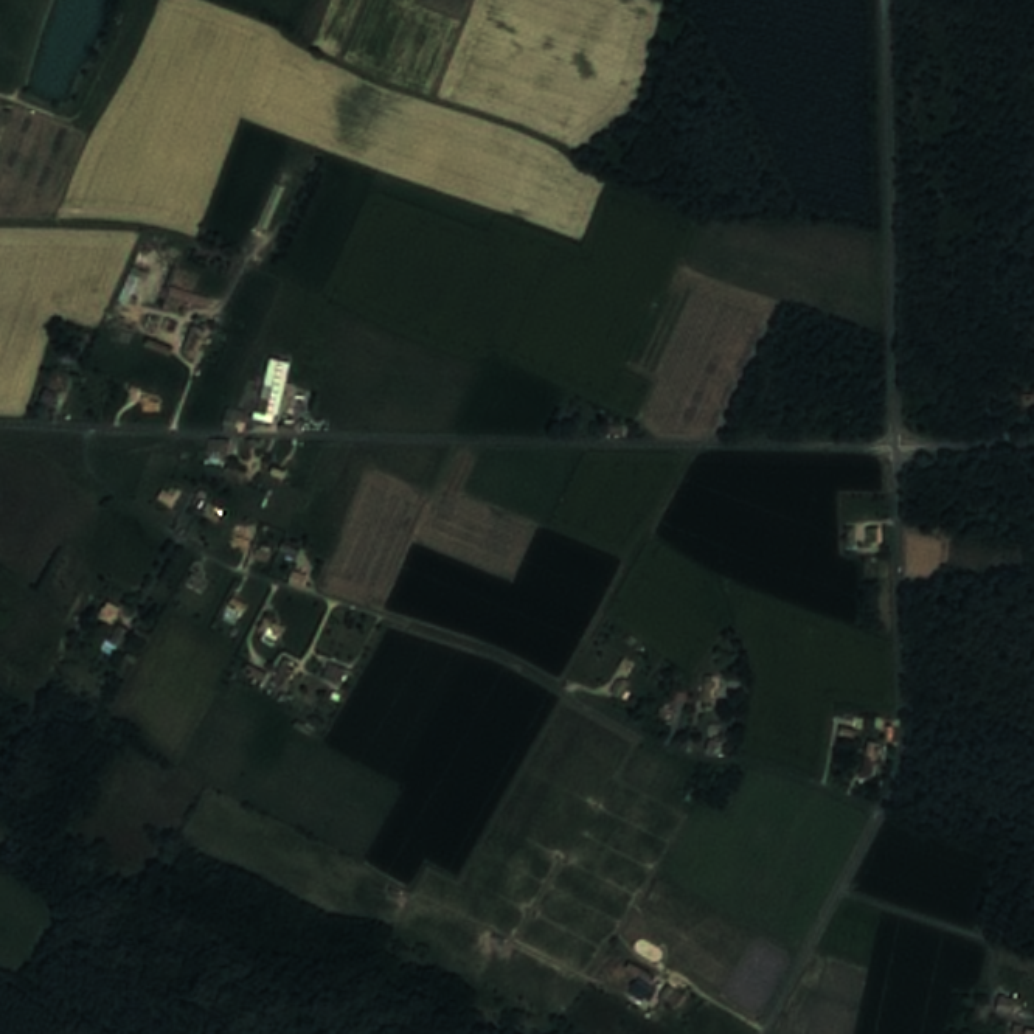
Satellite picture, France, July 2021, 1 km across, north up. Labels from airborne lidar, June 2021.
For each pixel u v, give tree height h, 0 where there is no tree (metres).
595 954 0
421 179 0
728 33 9
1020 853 23
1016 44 13
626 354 0
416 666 0
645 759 0
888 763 8
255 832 0
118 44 0
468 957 0
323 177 6
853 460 0
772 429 10
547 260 0
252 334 0
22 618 0
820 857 0
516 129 0
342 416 0
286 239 8
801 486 0
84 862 19
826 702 0
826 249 0
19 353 0
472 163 0
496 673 0
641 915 0
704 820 0
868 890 0
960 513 16
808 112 7
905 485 14
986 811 22
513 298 0
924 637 18
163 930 22
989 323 23
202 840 0
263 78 0
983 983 0
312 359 0
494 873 0
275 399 0
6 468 0
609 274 0
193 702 0
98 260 0
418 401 0
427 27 0
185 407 0
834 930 0
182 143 0
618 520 0
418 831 0
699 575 0
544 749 0
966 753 24
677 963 0
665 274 0
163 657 0
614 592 0
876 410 12
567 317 0
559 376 0
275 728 0
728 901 0
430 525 0
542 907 0
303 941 15
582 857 0
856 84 7
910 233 14
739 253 0
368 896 0
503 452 0
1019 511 17
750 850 0
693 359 0
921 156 13
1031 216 22
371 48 0
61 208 0
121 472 0
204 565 0
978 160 16
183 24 0
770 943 0
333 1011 23
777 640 0
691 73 15
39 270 0
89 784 13
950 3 13
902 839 0
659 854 0
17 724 8
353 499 0
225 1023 19
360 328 0
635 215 0
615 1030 0
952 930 0
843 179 8
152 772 0
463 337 0
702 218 14
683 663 0
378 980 23
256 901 14
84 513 0
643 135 11
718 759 0
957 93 8
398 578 0
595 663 0
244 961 24
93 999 17
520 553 0
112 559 0
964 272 13
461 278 0
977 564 0
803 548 0
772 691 0
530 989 0
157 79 0
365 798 0
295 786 0
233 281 0
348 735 0
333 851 0
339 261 0
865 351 10
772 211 9
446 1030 17
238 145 0
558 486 0
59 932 18
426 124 0
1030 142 19
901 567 0
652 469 0
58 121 0
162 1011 15
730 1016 0
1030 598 14
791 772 0
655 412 0
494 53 0
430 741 0
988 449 14
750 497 0
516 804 0
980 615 16
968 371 19
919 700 19
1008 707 6
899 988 0
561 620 0
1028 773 27
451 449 0
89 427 0
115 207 0
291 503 0
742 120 23
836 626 0
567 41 0
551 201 0
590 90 0
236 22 0
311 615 0
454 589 0
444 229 0
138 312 0
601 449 0
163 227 0
